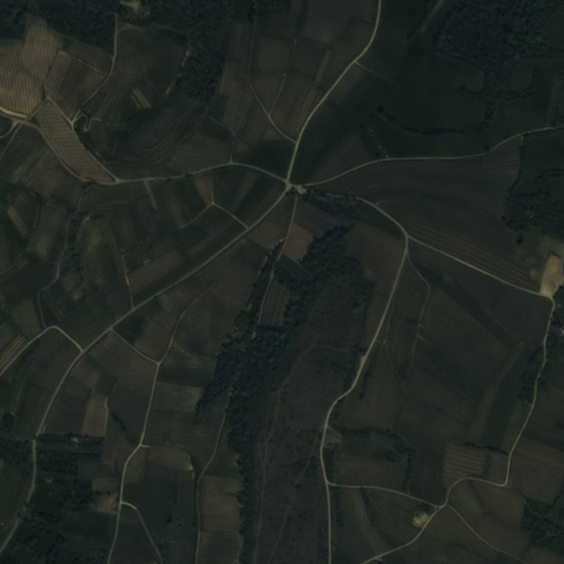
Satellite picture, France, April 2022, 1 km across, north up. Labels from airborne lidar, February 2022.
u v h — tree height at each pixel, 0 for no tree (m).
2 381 0
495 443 0
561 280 0
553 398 0
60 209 0
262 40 0
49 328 0
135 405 0
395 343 0
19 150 0
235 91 0
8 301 0
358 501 0
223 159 0
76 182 0
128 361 0
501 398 0
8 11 14
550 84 0
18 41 17
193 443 0
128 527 0
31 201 0
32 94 0
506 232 0
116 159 0
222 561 0
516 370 0
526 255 0
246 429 11
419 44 0
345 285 0
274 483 0
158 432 0
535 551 0
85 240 0
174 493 0
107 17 15
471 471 0
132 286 0
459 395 0
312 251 6
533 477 0
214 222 0
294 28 0
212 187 0
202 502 0
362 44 0
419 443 0
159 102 0
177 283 0
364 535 0
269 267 8
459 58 12
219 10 20
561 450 0
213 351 0
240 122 0
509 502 0
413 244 0
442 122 0
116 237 0
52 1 15
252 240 0
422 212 0
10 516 0
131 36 0
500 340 0
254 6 11
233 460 0
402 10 0
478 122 0
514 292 0
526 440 0
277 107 0
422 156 0
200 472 0
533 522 7
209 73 11
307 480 0
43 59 0
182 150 0
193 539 0
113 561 0
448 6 0
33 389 0
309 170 0
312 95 0
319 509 0
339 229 7
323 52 0
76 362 0
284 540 0
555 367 0
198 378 0
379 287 0
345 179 0
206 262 0
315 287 7
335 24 0
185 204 0
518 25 12
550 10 7
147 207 0
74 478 9
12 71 0
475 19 15
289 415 0
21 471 0
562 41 0
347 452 0
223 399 0
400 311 0
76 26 13
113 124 0
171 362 0
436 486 0
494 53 15
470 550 0
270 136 0
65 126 0
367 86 0
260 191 0
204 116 0
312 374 0
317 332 0
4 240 0
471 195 0
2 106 0
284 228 0
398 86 0
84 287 0
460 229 0
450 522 0
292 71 0
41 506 0
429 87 0
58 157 0
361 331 0
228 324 0
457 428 0
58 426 0
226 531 0
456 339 0
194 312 0
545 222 7
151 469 0
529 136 7
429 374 0
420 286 0
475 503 0
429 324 0
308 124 0
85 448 0
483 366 0
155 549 0
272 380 0
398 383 0
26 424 0
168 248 0
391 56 0
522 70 0
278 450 0
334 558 0
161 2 19
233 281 0
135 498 0
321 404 0
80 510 7
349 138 0
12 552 9
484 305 0
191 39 6
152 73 0
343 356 0
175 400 0
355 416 0
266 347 6
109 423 0
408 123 0
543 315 0
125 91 0
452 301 0
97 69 0
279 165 0
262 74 0
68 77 0
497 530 0
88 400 0
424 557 0
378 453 0
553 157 0
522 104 0
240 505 11
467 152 0
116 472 0
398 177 0
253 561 0
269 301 0
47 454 12
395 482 0
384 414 0
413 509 0
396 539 0
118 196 0
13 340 0
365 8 0
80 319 0
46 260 0
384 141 0
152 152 0
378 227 0
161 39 0
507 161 0
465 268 0
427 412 0
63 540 8
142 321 0
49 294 0
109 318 0
